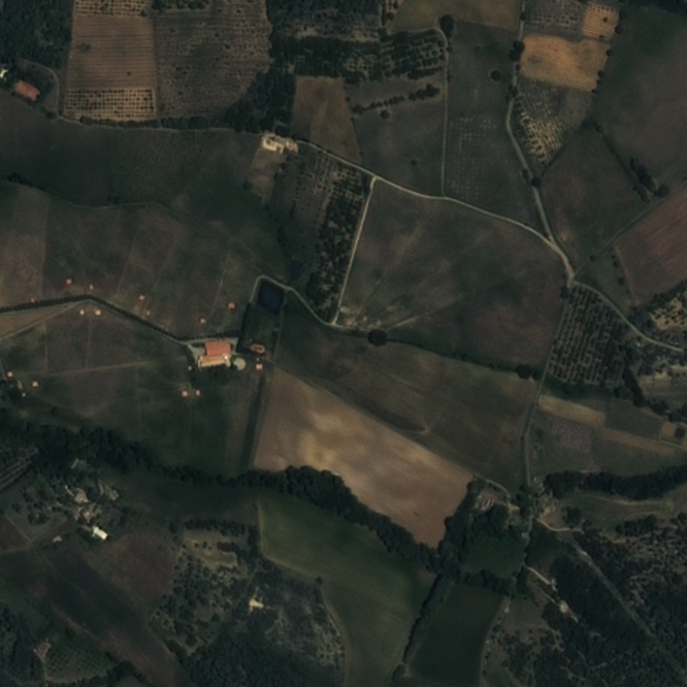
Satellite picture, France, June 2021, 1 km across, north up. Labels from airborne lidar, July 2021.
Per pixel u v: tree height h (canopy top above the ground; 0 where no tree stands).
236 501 0
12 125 0
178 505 0
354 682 0
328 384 0
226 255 0
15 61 17
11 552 0
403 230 0
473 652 0
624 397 20
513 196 0
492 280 0
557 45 0
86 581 0
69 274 0
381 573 0
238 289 0
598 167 0
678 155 0
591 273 0
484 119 0
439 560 10
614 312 8
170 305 0
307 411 0
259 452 0
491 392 0
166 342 0
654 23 0
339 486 13
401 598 0
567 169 0
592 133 0
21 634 14
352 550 0
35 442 18
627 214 0
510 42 0
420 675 0
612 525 0
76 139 0
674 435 0
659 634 11
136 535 0
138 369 0
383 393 0
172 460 0
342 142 0
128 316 7
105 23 0
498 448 0
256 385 0
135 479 0
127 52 0
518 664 7
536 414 0
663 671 15
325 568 0
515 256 0
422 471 0
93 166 0
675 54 0
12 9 15
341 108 0
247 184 7
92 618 0
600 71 7
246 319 9
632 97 0
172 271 0
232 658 9
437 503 0
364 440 0
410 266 0
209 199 0
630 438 0
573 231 0
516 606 0
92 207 0
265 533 0
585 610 7
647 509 0
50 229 0
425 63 10
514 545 0
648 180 15
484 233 0
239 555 7
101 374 0
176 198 0
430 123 0
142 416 0
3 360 0
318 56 10
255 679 12
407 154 0
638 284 0
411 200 0
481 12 0
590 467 0
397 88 0
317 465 0
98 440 14
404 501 0
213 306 0
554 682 6
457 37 0
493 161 0
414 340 0
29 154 0
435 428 0
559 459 0
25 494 8
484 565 0
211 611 0
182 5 7
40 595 0
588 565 7
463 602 0
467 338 0
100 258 0
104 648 0
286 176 6
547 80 0
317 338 0
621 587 6
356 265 0
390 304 0
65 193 0
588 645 11
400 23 0
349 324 0
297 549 0
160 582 0
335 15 7
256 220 0
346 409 0
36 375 0
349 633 0
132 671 11
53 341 0
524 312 0
